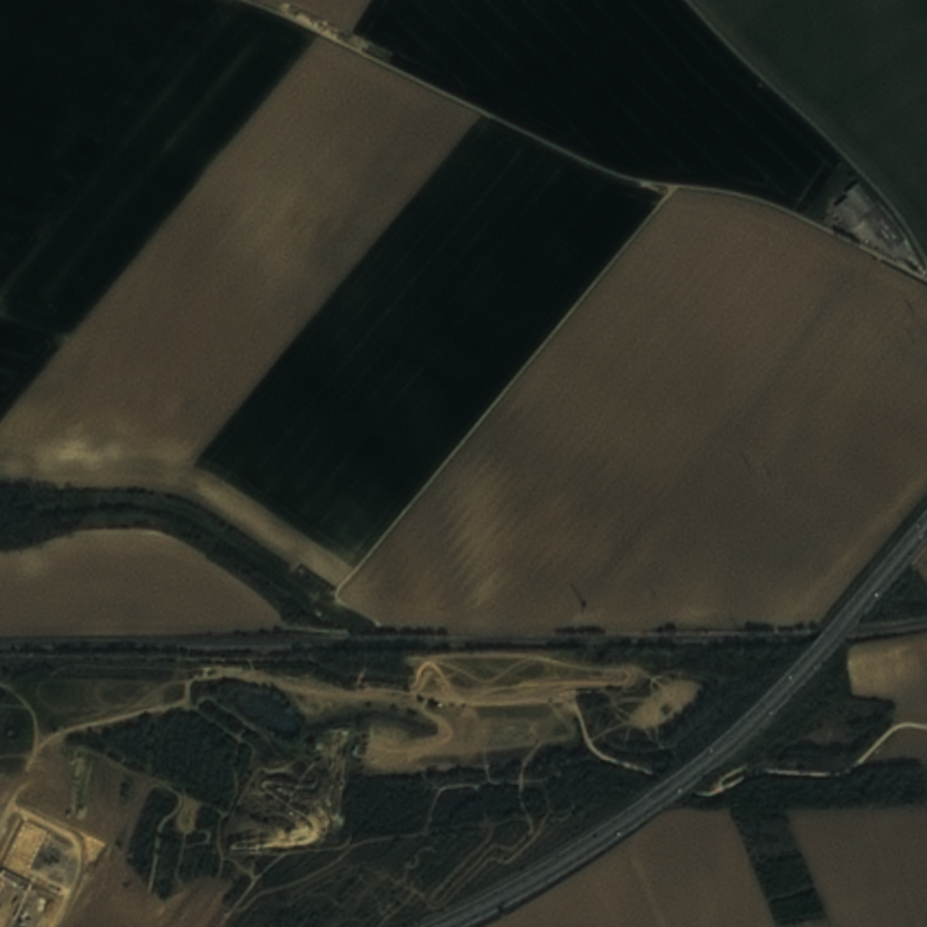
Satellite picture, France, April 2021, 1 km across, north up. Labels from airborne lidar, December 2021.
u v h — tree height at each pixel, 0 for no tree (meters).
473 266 0
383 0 0
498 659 0
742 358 0
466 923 0
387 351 0
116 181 0
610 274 0
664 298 0
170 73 0
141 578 0
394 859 0
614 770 6
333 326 0
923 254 0
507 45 0
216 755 13
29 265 0
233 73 0
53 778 0
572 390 0
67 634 0
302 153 0
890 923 0
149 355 0
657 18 0
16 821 0
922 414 0
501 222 0
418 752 0
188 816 0
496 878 0
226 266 0
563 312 0
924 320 0
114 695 0
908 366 0
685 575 0
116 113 0
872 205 0
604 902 0
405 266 0
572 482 0
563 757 8
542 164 0
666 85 0
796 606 0
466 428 0
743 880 0
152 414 0
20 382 0
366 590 0
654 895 0
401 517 0
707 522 0
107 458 0
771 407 0
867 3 0
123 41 0
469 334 0
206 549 0
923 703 0
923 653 0
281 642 0
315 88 0
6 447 0
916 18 0
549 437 0
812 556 0
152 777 0
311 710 0
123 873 0
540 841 0
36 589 0
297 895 0
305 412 0
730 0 0
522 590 0
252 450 0
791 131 0
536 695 0
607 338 0
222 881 0
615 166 0
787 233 0
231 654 7
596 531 0
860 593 0
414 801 7
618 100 0
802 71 0
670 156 0
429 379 0
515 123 0
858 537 0
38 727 0
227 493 0
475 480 0
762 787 9
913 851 0
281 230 0
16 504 17
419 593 0
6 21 0
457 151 0
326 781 0
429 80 0
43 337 0
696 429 0
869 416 0
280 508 0
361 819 6
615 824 0
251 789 0
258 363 0
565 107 0
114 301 0
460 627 0
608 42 0
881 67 0
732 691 15
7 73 0
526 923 0
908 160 0
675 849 0
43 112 0
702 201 0
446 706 0
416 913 0
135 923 0
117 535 0
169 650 10
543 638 0
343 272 0
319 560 0
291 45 0
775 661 12
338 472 0
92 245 0
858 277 0
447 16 0
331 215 0
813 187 0
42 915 0
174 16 0
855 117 0
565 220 0
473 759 0
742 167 0
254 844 0
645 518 0
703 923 0
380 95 0
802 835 0
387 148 0
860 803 8
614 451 0
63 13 0
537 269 0
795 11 0
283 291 0
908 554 0
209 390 0
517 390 0
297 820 0
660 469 0
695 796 8
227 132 0
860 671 0
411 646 10
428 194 0
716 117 0
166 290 0
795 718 7
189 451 0
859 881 0
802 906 7
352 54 0
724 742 0
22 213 0
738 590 0
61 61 0
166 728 13
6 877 0
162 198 0
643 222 0
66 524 13
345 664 17
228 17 0
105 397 0
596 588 0
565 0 0
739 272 0
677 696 0
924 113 0
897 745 0
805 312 0
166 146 0
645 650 12
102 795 0
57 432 0
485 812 12
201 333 0
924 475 0
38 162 0
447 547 0
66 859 0
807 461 0
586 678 0
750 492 0
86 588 0
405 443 0
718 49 0
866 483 0
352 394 0
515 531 0
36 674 0
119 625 0
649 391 0
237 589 0
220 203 0
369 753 0
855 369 0
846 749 6
